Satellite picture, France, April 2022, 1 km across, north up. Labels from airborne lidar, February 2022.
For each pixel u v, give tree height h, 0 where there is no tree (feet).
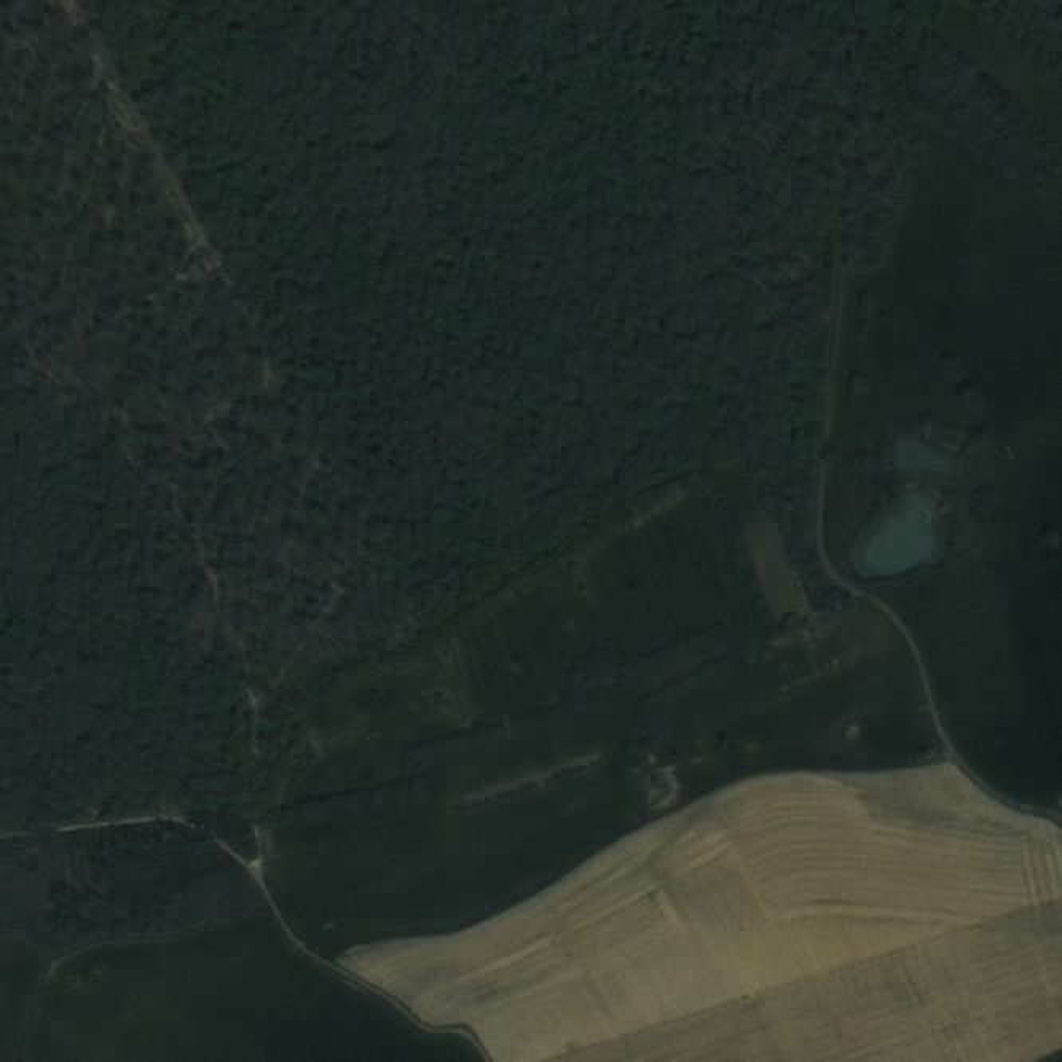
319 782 0
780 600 0
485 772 0
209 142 82
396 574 88
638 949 0
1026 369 0
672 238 79
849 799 0
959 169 0
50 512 77
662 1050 0
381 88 86
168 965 0
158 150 77
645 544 0
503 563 82
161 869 70
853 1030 0
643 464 83
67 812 79
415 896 0
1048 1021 0
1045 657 0
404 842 0
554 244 91
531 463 66
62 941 56
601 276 88
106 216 82
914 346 0
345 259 75
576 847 0
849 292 0
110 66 0
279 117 77
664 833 0
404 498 93
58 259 76
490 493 75
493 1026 0
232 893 51
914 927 0
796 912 0
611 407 91
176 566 73
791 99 90
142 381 77
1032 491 0
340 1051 0
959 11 0
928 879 0
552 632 0
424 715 0
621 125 78
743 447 76
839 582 0
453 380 85
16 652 68
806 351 92
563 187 81
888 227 78
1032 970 0
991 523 0
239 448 80
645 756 0
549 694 0
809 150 69
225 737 63
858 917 0
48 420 68
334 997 0
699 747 0
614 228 83
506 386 102
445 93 78
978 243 0
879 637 0
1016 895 0
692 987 0
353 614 80
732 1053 0
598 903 0
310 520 69
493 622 0
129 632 73
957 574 0
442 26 95
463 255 72
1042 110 0
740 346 87
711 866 0
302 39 85
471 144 82
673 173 85
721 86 98
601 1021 0
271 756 82
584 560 0
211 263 76
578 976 0
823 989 0
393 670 20
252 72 91
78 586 74
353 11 91
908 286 0
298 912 0
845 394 0
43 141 80
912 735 0
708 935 0
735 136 87
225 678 63
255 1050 0
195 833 60
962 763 0
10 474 76
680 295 93
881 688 0
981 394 59
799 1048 0
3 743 81
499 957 0
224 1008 0
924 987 0
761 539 0
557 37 88
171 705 74
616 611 0
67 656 100
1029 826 0
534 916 0
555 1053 0
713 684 0
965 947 0
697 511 0
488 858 0
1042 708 0
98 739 78
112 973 0
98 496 76
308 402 83
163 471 79
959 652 0
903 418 0
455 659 0
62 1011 0
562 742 0
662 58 85
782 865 0
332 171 72
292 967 0
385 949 0
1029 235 0
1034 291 0
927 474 0
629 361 86
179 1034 0
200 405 81
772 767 0
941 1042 0
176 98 93
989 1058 0
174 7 91
